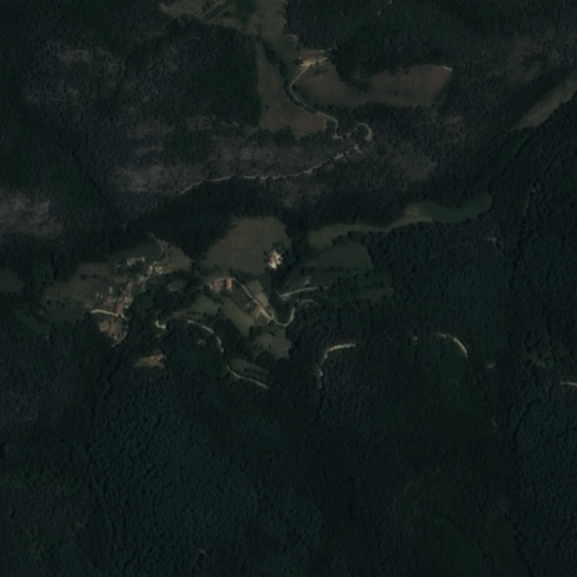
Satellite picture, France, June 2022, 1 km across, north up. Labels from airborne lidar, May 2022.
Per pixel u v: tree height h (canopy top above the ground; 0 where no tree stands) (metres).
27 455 27
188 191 9
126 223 11
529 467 36
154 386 14
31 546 12
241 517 28
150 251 0
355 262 0
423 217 0
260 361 17
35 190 10
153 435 22
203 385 19
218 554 18
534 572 28
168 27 8
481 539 18
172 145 13
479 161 18
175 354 22
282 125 0
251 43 7
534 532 21
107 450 29
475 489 27
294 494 16
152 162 12
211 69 19
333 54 9
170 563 27
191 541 28
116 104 12
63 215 15
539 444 27
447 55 18
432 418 16
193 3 0
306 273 13
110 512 16
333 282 0
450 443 23
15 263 19
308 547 28
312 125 0
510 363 24
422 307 14
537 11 15
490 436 24
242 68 18
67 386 16
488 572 15
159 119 10
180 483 18
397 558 20
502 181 14
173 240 10
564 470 31
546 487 30
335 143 10
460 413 15
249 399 13
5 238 13
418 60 10
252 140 13
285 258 15
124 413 17
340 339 14
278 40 0
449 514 16
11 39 23
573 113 16
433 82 0
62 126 13
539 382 17
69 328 9
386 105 7
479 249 16
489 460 25
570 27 12
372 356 12
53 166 16
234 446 17
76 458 40
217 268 10
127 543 26
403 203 11
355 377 11
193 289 17
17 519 18
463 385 12
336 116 7
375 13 11
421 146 18
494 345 27
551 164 14
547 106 0
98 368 11
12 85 16
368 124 15
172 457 28
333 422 22
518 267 26
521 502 29
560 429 25
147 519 28
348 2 10
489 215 13
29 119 19
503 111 13
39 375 22
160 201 13
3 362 14
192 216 16
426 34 13
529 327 12
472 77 10
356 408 9
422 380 12
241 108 13
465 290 22
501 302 26
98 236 15
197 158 11
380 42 12
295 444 22
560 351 16
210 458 26
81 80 16
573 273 26
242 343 17
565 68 15
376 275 15
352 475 16
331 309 16
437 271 18
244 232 0
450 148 10
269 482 19
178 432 24
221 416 28
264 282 0
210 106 7
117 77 7
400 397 20
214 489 25
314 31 13
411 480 13
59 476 16
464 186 17
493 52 6
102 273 0
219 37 7
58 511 19
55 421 17
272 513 23
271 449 21
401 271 35
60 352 16
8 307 21
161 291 11
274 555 20
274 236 0
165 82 14
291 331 11
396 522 14
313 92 0
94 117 12
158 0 17
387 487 13
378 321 13
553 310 26
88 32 16
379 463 18
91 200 19
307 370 15
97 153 13
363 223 18
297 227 17
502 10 17
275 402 14
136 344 19
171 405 23
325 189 6
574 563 21
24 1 14
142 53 9
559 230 21
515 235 19
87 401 18
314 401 23
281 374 18
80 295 0
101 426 23
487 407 13
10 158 18
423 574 17
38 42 14
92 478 25
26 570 11
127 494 22
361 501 23
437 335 7
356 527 23
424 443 18
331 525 21
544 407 29
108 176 16
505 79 10
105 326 0
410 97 0
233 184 17
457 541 13
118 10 16
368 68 6
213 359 18
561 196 10
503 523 10
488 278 24
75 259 19
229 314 0
